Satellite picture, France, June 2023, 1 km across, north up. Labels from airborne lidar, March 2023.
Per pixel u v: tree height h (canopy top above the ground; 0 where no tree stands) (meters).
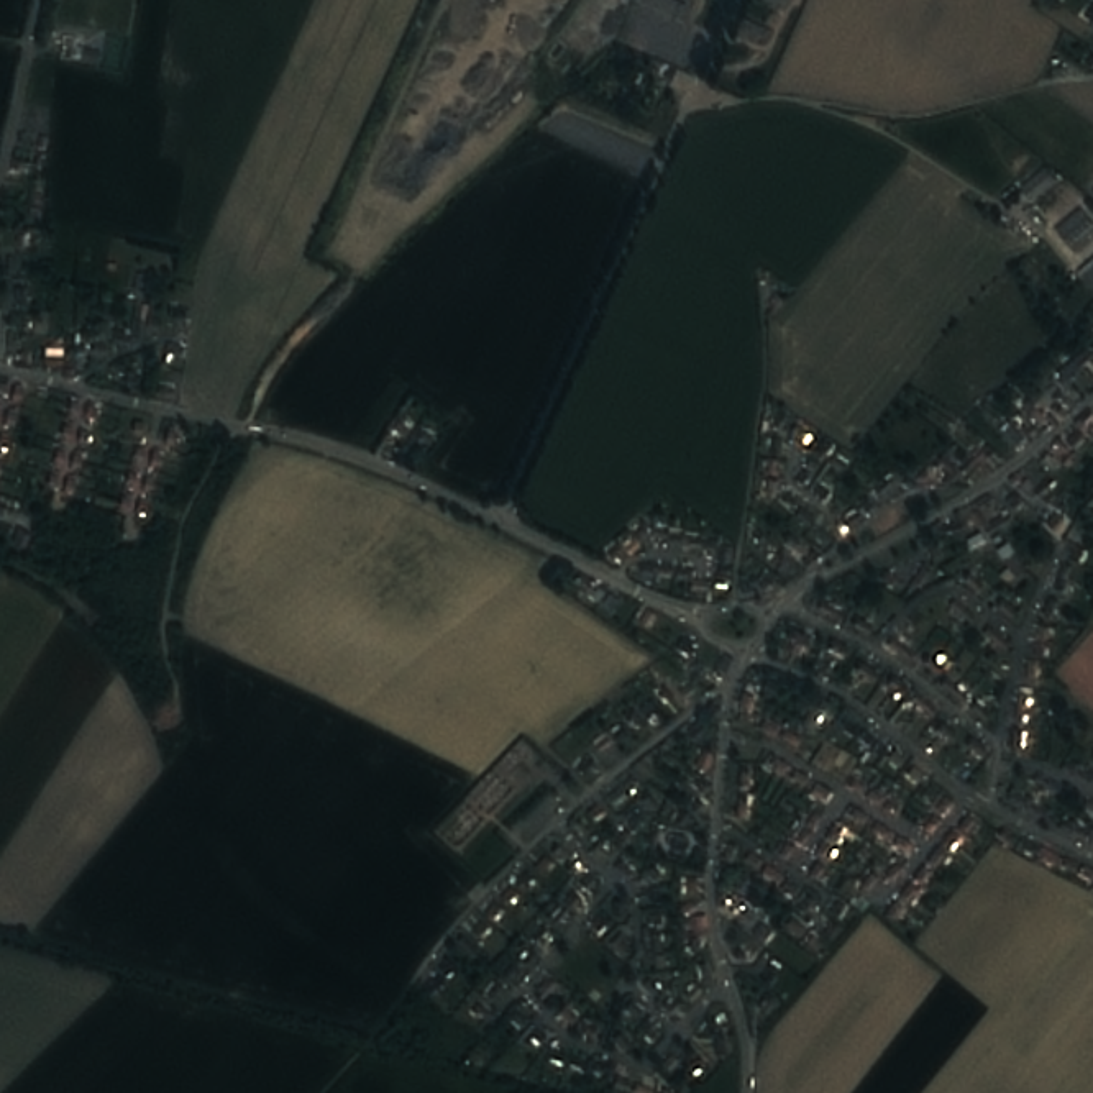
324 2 0
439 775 0
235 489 0
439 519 0
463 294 0
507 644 0
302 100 0
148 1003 0
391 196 0
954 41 0
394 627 0
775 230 0
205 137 0
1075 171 0
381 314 0
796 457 0
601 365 0
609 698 14
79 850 0
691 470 0
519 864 0
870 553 0
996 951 0
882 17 0
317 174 0
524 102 0
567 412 0
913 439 0
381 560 0
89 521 9
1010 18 0
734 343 0
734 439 0
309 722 0
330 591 0
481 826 0
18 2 0
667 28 0
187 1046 0
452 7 0
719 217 0
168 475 0
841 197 0
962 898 0
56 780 0
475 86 0
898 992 0
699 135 0
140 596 6
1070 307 0
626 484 0
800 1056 0
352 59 0
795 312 0
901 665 0
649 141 0
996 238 0
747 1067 0
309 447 0
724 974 0
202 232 0
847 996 0
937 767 0
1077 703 0
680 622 0
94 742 0
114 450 7
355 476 0
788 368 0
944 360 0
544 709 0
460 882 0
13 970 0
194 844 0
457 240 0
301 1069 0
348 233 0
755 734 0
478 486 0
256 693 0
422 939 0
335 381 0
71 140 0
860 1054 0
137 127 0
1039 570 0
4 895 0
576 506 0
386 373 0
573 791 0
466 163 0
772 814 0
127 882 0
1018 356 0
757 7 0
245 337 0
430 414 5
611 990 0
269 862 0
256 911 0
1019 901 0
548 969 0
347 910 0
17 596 0
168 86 0
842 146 0
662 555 0
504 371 0
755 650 0
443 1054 0
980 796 0
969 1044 0
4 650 0
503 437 0
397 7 0
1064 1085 0
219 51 0
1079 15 0
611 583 0
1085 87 0
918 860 0
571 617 0
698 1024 0
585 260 0
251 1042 0
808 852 0
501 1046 8
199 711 0
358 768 0
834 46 0
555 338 0
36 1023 0
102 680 0
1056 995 0
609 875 0
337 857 0
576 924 0
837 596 7
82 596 6
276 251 0
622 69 15
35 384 0
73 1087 0
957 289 0
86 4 0
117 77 0
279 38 0
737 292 0
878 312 0
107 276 0
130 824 0
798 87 0
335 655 0
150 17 0
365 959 0
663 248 0
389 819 0
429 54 0
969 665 0
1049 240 0
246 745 0
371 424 0
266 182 0
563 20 0
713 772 0
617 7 0
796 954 0
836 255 0
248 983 0
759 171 0
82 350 0
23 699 0
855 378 0
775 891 8
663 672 0
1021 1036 0
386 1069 0
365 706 0
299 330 0
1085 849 0
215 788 0
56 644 0
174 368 0
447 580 0
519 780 0
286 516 0
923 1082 0
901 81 0
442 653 0
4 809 0
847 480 12
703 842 11
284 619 0
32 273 12
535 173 0
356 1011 0
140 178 0
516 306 0
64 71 0
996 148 0
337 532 0
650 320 0
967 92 0
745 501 0
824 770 0
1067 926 0
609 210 0
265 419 0
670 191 0
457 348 0
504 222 0
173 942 0
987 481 0
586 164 0
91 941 0
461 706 0
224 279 0
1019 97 0
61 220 0
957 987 0
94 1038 0
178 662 8
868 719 0
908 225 0
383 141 0
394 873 0
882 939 0
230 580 0
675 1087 7
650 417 0
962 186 0
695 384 0
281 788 0
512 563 0
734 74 0
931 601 0
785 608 0
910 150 0
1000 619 0
